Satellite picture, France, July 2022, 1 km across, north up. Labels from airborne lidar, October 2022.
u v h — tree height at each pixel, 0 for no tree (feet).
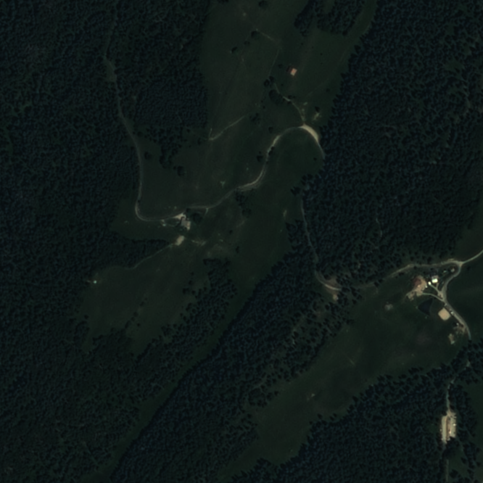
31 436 67
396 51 72
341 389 0
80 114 18
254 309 69
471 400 49
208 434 60
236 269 0
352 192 74
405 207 73
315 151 0
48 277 60
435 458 44
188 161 0
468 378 39
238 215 0
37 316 54
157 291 0
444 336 0
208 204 0
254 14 0
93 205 78
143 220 0
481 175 73
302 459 57
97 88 58
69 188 81
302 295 52
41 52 57
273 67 0
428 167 86
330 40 0
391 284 0
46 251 65
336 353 0
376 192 72
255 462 0
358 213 30
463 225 53
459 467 0
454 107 75
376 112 70
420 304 0
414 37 53
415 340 0
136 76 34
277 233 0
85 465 70
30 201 86
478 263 0
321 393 0
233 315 0
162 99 60
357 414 36
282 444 0
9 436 79
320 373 0
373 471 70
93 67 67
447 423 0
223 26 0
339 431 67
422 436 92
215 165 0
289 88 0
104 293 0
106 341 26
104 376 84
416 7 75
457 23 61
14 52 89
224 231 0
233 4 0
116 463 0
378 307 0
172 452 65
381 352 0
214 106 0
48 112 68
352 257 85
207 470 58
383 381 68
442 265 0
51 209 36
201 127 31
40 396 45
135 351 0
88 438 74
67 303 44
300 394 0
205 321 87
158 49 52
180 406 70
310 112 0
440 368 0
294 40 0
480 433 0
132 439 0
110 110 56
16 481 52
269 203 0
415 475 84
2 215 89
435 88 75
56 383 37
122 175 57
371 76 77
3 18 90
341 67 0
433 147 78
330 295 0
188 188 0
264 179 0
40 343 74
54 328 56
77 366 37
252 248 0
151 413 0
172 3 45
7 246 89
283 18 0
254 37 46
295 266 34
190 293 41
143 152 0
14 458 69
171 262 0
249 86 0
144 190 0
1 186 77
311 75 0
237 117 0
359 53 57
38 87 66
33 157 53
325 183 22
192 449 39
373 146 64
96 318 0
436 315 0
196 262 0
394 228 26
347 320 33
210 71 0
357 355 0
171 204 0
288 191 0
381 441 84
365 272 80
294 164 0
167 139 47
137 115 48
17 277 23
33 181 90
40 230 55
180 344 60
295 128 0
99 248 37
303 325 0
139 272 0
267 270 0
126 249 47
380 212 58
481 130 54
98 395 38
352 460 63
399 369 0
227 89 0
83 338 39
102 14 53
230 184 0
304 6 0
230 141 0
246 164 0
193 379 69
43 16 73
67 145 21
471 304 0
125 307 0
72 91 52
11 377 84
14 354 51
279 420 0
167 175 0
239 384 61
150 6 52
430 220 48
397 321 0
